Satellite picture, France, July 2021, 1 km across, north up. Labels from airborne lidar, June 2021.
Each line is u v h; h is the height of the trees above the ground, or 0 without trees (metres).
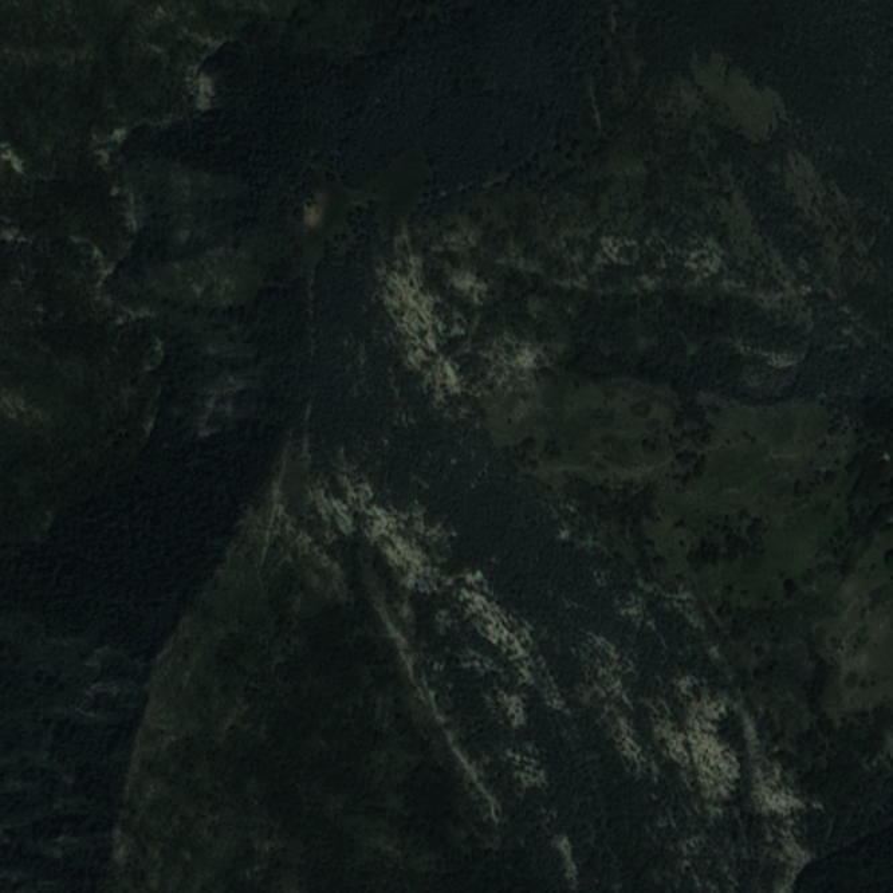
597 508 8
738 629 12
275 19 7
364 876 9
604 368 13
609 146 7
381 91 12
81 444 6
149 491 10
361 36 6
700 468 13
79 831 10
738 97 0
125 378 9
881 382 9
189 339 7
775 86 13
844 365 14
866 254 7
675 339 7
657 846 9
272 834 11
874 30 13
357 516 7
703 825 6
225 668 8
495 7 15
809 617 7
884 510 13
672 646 9
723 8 13
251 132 8
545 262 6
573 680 8
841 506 0
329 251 7
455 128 15
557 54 11
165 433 6
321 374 9
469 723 6
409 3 20
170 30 7
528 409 0
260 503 7
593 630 6
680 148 9
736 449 0
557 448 9
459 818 11
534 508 11
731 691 6
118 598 8
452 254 8
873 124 9
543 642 7
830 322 10
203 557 17
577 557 9
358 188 8
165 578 11
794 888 7
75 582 19
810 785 6
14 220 10
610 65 9
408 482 9
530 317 8
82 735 7
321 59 17
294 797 10
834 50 11
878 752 9
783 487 0
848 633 0
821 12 9
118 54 8
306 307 9
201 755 6
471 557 6
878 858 10
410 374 8
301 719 11
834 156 8
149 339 15
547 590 8
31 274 6
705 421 9
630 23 8
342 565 6
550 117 15
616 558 8
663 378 12
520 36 11
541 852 8
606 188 7
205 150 12
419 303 0
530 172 12
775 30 11
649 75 7
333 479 6
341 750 6
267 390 7
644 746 6
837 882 22
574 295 8
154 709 0
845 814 12
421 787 11
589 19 12
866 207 6
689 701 7
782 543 0
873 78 12
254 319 9
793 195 8
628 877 6
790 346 10
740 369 10
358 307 7
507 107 11
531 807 9
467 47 14
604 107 8
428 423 7
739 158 9
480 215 9
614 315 9
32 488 8
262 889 7
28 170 6
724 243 7
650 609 9
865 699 0
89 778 7
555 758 14
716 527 7
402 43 10
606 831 7
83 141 7
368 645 13
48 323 9
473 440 6
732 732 12
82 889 8
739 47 11
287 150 12
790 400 7
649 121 7
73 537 10
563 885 6
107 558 15
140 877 12
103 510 17
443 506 8
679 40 6
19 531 12
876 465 8
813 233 7
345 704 8
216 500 8
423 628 12
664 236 7
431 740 6
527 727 7
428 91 11
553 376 7
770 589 0
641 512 10
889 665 0
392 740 8
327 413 8
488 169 10
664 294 13
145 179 7
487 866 12
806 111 11
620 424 0
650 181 6
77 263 9
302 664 7
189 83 7
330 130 16
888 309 7
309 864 8
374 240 10
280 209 7
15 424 6
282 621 12
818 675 7
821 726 8
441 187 8
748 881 13
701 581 0
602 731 6
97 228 7
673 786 6
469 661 6
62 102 6
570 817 10
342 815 6
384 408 6
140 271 7
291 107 16
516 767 7
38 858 11
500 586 6
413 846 6
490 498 9
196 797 6
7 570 18
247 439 11
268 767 6
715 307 7
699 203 8
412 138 13
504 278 6
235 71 13
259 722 6
